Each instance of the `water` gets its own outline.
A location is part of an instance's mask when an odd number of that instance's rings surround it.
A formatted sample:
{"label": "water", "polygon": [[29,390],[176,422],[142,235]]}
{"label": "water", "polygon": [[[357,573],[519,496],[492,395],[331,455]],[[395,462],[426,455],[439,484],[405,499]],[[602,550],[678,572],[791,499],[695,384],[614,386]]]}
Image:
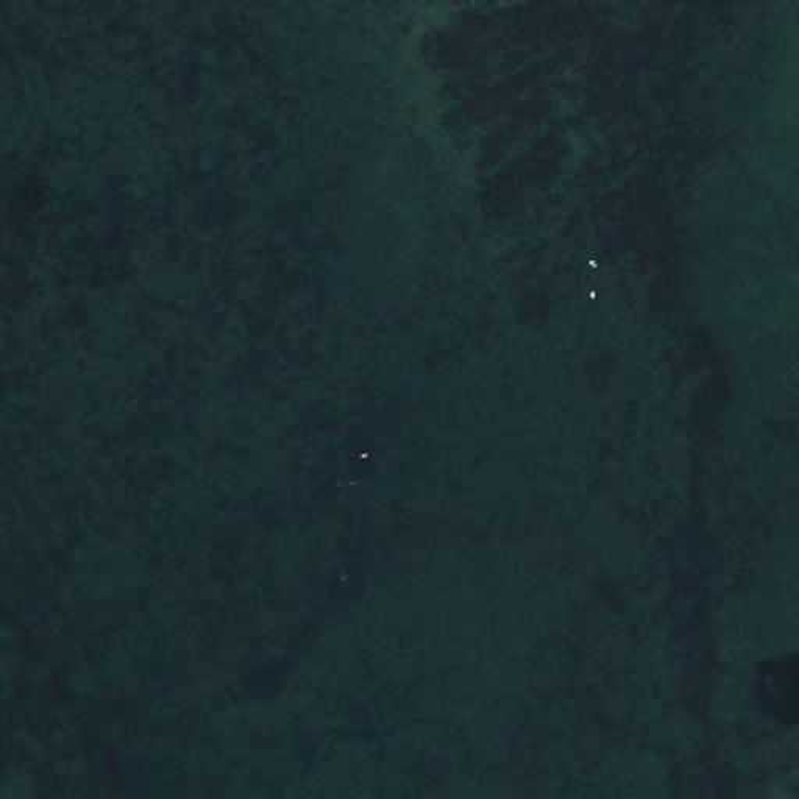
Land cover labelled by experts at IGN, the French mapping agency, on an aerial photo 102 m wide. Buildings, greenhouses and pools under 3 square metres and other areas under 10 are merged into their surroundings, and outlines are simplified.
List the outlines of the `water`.
{"label": "water", "polygon": [[0,0],[0,799],[799,799],[799,0]]}

